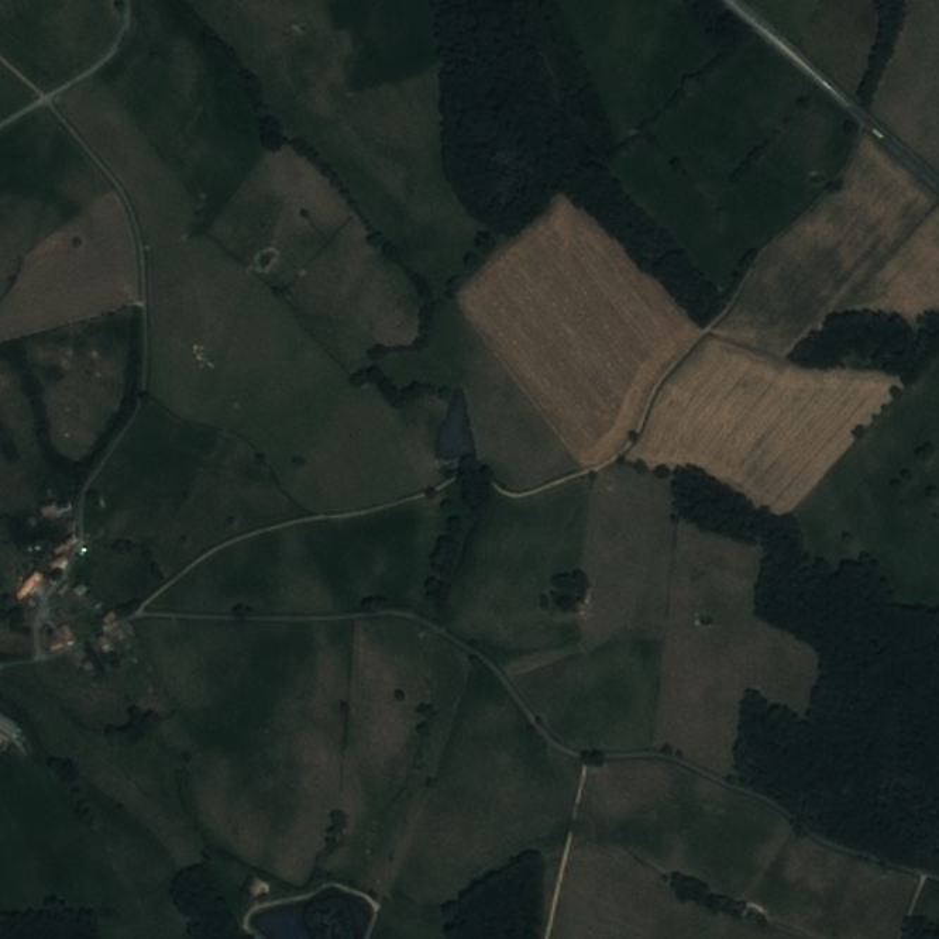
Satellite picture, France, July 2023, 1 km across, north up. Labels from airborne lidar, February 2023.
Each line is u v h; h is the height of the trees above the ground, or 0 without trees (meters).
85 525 0
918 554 0
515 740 0
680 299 14
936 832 17
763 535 14
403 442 0
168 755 0
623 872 0
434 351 0
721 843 0
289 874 0
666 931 0
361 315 0
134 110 0
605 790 0
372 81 0
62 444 0
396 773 0
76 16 0
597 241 0
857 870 0
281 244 0
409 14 0
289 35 0
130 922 0
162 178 0
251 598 0
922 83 0
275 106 0
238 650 0
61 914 19
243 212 0
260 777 0
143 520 0
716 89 0
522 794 0
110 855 0
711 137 0
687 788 0
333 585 0
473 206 18
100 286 0
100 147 0
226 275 0
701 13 15
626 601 0
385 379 11
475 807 0
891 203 0
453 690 0
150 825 0
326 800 0
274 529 0
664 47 0
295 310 0
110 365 0
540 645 0
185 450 0
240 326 0
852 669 20
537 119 23
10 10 0
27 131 0
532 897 18
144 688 0
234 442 0
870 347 19
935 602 0
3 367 0
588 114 6
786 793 16
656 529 0
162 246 0
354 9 0
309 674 0
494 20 22
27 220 0
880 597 19
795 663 0
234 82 0
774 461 0
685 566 0
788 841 0
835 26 0
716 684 0
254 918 0
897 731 21
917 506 0
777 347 0
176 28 0
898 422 0
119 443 0
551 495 0
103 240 0
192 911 20
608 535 0
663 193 0
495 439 0
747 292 0
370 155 0
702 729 0
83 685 0
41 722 0
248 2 0
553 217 0
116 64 0
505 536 0
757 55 0
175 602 0
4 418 0
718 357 0
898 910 0
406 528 0
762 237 0
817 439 0
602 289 0
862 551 0
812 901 0
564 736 0
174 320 0
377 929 0
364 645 0
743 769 15
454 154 19
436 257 0
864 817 18
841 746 20
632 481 0
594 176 24
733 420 0
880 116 0
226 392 0
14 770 0
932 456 12
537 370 0
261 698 0
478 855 0
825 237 0
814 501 0
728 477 0
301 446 0
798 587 17
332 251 0
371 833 0
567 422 0
